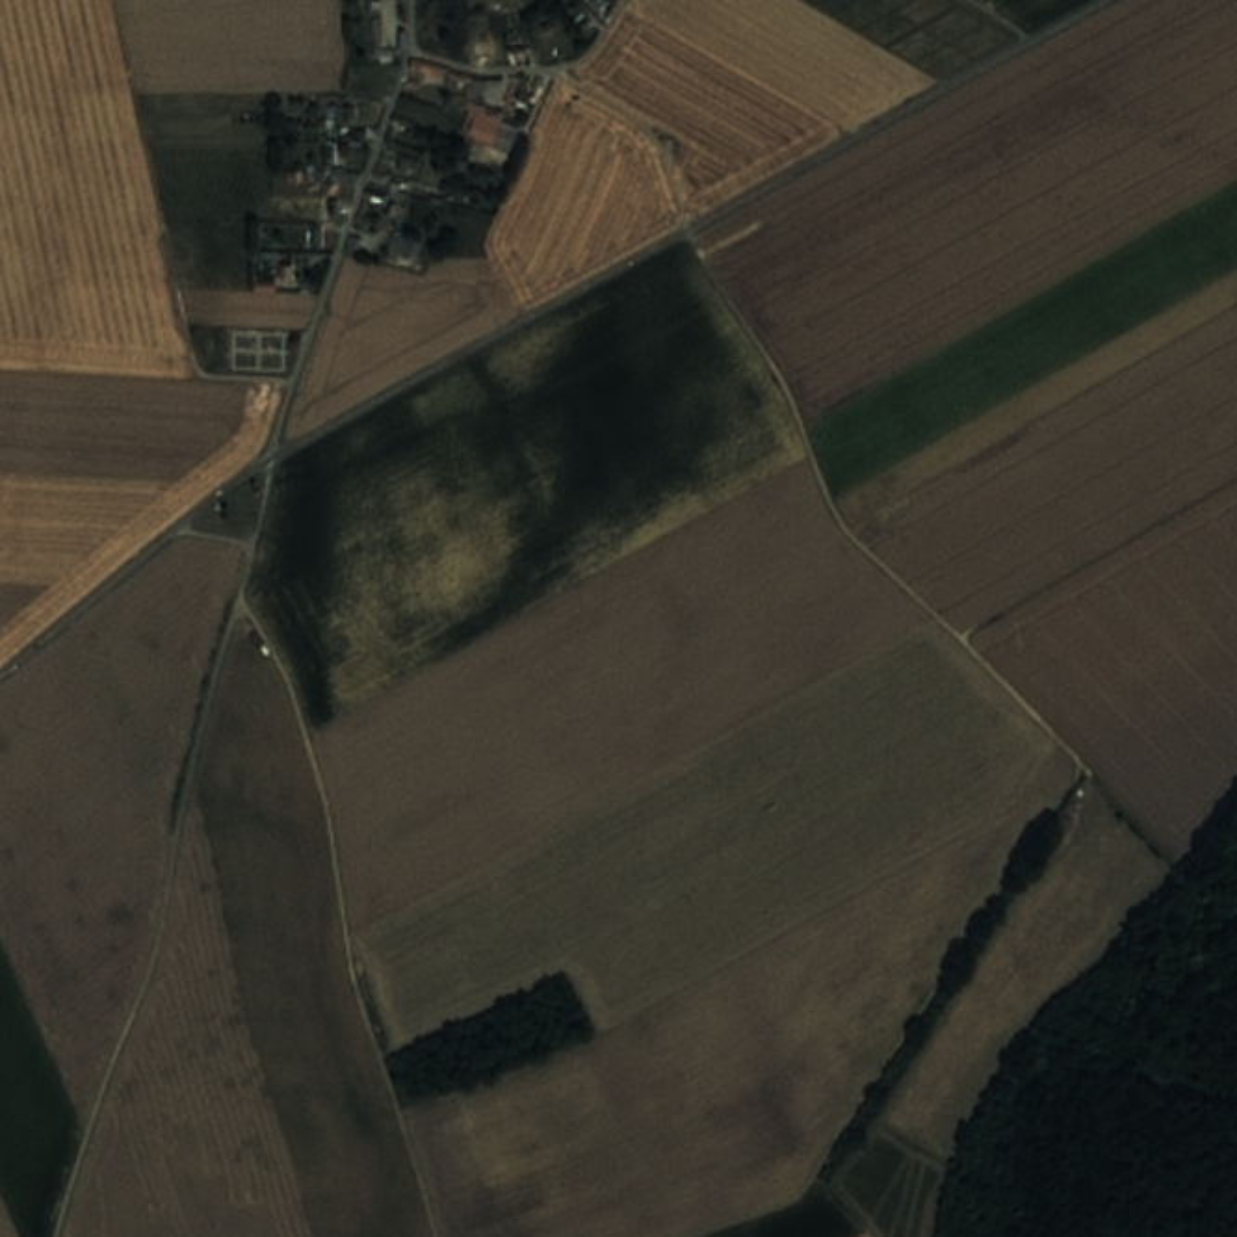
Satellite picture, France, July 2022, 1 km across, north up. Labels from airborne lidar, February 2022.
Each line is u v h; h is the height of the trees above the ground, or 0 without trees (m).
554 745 0
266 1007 0
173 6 0
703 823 0
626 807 0
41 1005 0
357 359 0
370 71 0
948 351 0
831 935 0
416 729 0
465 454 0
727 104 0
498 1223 0
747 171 0
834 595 0
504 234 0
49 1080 0
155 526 0
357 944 0
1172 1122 18
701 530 0
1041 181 0
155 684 0
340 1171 0
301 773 0
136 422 0
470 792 0
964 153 0
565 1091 0
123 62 0
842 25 0
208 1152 0
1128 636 0
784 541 0
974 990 0
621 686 0
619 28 0
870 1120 6
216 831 0
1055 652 0
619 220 0
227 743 0
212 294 0
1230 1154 18
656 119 0
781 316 0
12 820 0
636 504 0
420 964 0
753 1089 0
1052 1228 16
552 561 0
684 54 0
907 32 0
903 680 0
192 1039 0
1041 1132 14
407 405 0
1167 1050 18
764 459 0
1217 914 13
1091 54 0
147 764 0
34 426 0
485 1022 9
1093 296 0
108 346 0
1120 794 0
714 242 0
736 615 0
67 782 0
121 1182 0
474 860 0
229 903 0
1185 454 0
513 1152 0
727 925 0
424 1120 0
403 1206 0
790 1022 0
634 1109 0
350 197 0
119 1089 0
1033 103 0
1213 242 0
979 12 0
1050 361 0
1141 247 0
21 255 0
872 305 0
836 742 0
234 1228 0
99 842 0
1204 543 0
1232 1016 14
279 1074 0
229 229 0
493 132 0
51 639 0
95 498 0
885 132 0
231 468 0
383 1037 0
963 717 0
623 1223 0
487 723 0
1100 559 0
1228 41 0
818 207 0
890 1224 0
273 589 0
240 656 0
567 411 0
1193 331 0
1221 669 0
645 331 0
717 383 0
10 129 0
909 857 0
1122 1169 21
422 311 0
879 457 0
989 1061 0
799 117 0
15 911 0
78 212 0
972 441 0
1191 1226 18
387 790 0
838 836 0
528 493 0
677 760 0
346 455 0
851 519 0
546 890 0
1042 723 0
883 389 0
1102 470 0
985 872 0
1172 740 0
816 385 0
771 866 0
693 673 0
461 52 0
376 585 0
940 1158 0
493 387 0
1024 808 0
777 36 0
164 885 0
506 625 0
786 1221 0
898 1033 0
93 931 0
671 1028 0
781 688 0
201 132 0
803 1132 0
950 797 0
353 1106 0
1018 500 0
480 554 0
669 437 0
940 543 0
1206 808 0
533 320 0
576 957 0
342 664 0
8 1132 0
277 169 12
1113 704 0
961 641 0
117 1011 0
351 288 0
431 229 8
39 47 0
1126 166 0
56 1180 0
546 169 0
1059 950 0
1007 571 0
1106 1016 11
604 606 0
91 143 0
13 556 0
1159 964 18
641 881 0
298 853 0
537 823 0
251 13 0
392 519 0
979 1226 12
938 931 0
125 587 0
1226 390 0
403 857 0
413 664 0
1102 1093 18
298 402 0
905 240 0
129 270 0
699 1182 0
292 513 0
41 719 0
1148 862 0
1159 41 0
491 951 0
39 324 0
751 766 0
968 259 0
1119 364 0
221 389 0
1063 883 0
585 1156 0
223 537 0
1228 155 0
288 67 0
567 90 0
